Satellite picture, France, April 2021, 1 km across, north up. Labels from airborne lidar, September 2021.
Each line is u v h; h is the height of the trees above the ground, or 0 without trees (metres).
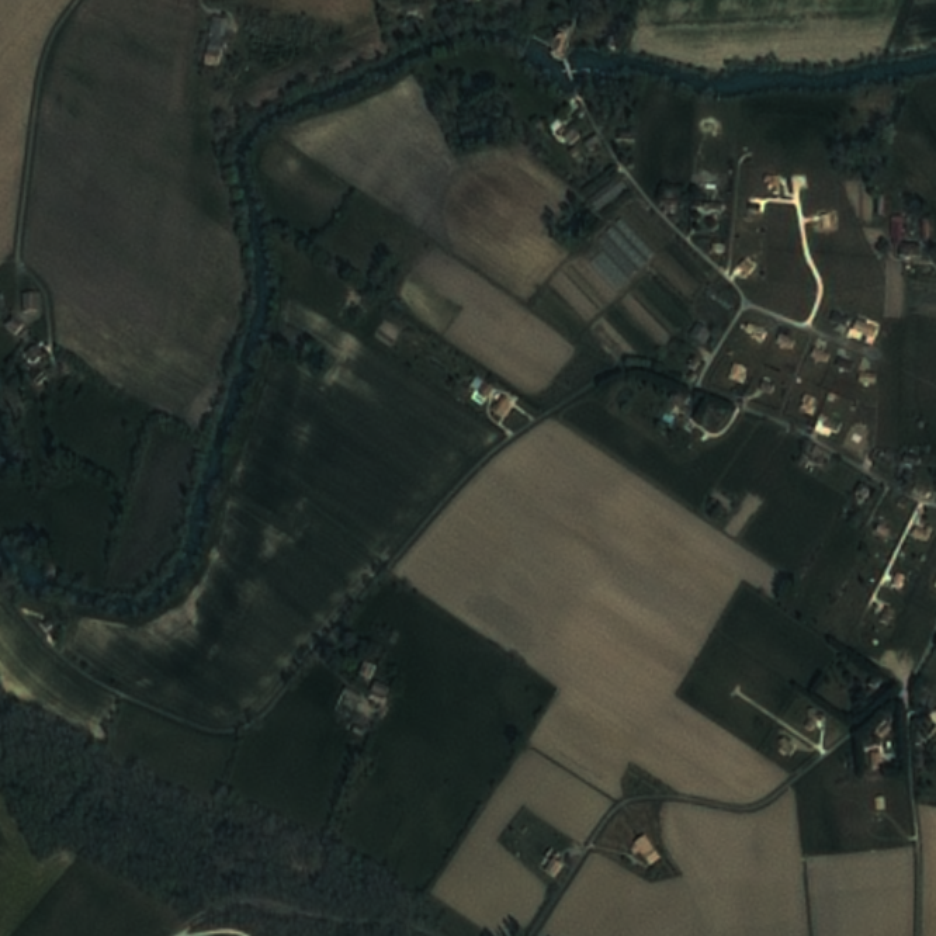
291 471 0
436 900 0
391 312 7
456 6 14
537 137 10
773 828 0
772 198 0
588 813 0
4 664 0
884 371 0
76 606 15
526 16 17
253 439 0
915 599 0
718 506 9
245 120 21
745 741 0
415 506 0
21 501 0
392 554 0
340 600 0
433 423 0
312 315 0
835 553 0
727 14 0
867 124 0
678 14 0
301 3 0
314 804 0
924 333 0
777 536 0
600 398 0
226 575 0
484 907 0
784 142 0
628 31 22
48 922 0
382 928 18
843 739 0
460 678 0
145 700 0
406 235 0
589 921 0
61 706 0
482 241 0
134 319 0
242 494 0
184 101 0
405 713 0
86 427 0
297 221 0
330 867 15
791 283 0
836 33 0
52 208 0
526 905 0
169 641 0
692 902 0
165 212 0
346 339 0
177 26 0
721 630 0
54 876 0
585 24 8
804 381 0
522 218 0
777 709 0
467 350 0
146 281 0
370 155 0
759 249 0
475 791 0
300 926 13
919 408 0
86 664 7
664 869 6
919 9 0
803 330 0
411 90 0
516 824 0
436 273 0
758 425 0
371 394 0
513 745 21
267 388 0
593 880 0
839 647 13
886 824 0
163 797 17
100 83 0
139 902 0
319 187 0
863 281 0
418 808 0
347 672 8
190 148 0
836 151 19
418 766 0
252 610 0
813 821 0
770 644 0
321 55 0
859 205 0
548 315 0
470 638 0
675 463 0
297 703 0
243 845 7
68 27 0
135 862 22
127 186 0
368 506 0
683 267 0
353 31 0
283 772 0
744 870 0
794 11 0
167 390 0
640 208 0
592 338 0
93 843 23
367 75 16
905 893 0
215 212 0
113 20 0
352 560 0
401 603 0
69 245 0
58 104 0
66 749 19
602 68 0
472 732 0
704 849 0
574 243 25
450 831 0
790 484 0
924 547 0
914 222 15
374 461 0
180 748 0
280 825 9
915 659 0
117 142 0
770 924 0
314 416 0
